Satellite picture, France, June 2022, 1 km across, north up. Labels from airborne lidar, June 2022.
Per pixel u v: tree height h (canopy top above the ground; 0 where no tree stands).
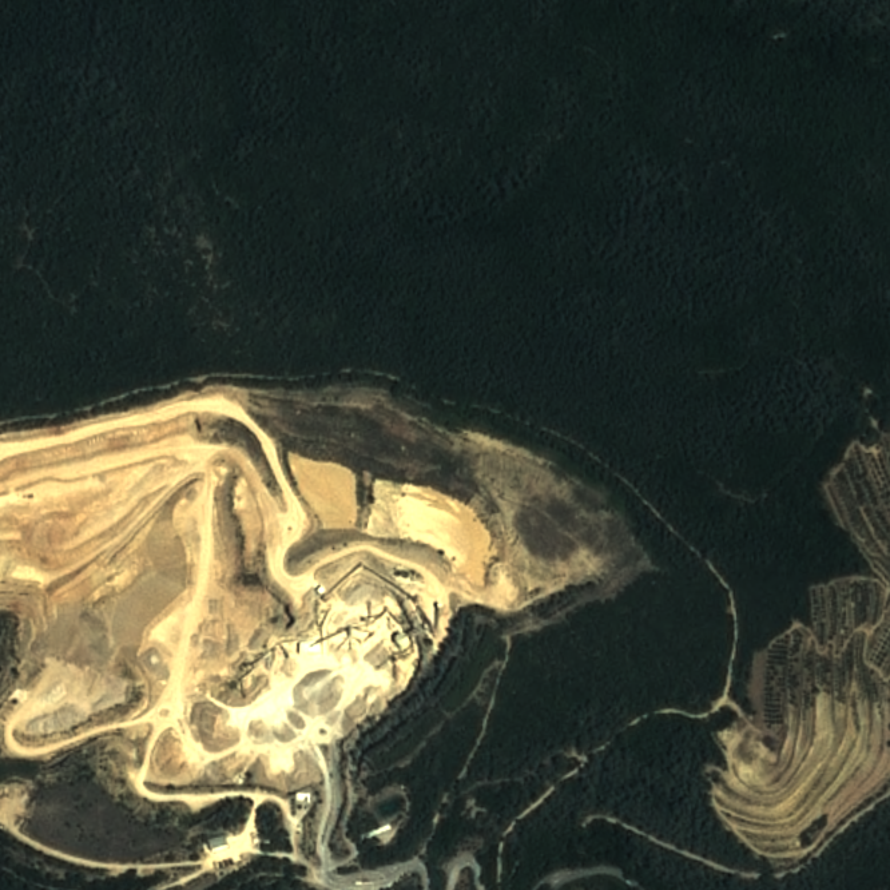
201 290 6
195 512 0
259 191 9
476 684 9
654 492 13
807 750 0
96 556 0
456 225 14
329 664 0
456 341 12
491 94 11
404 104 8
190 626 0
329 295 16
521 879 11
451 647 12
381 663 0
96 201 6
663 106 9
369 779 7
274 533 0
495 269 14
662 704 9
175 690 0
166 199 10
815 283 10
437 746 6
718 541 11
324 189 9
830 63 15
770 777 0
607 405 12
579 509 0
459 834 11
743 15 15
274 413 0
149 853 0
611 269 9
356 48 6
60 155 12
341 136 8
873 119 11
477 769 11
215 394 0
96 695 0
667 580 5
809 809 0
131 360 6
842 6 10
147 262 6
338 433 0
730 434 12
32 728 0
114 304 5
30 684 0
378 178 10
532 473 0
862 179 12
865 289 20
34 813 0
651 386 10
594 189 9
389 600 0
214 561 0
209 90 18
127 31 8
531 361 16
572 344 14
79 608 0
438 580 0
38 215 6
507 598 0
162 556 0
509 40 10
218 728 0
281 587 0
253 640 0
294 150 9
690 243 18
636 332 16
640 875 12
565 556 0
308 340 8
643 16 13
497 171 7
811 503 14
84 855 0
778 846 0
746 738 0
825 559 10
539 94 8
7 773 0
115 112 6
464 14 10
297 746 0
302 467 0
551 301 12
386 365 10
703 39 17
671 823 19
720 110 16
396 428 0
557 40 12
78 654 0
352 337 9
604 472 13
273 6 12
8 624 0
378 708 0
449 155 16
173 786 8
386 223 15
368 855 12
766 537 13
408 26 15
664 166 12
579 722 9
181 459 0
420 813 9
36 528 0
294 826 0
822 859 13
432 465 0
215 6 14
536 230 18
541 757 15
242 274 8
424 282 15
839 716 0
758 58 12
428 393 9
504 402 16
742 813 0
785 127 18
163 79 13
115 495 0
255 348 6
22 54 8
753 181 11
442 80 9
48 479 0
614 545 0
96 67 7
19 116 6
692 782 15
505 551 0
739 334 12
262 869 11
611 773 23
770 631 8
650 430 13
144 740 0
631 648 6
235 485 0
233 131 8
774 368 12
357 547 0
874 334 11
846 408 17
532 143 6
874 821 14
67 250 6
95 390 7
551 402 15
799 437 8
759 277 17
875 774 0
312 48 13
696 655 7
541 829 15
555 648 6
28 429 8
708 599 8
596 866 10
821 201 10
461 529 0
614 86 6
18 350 6
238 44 11
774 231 14
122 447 0
